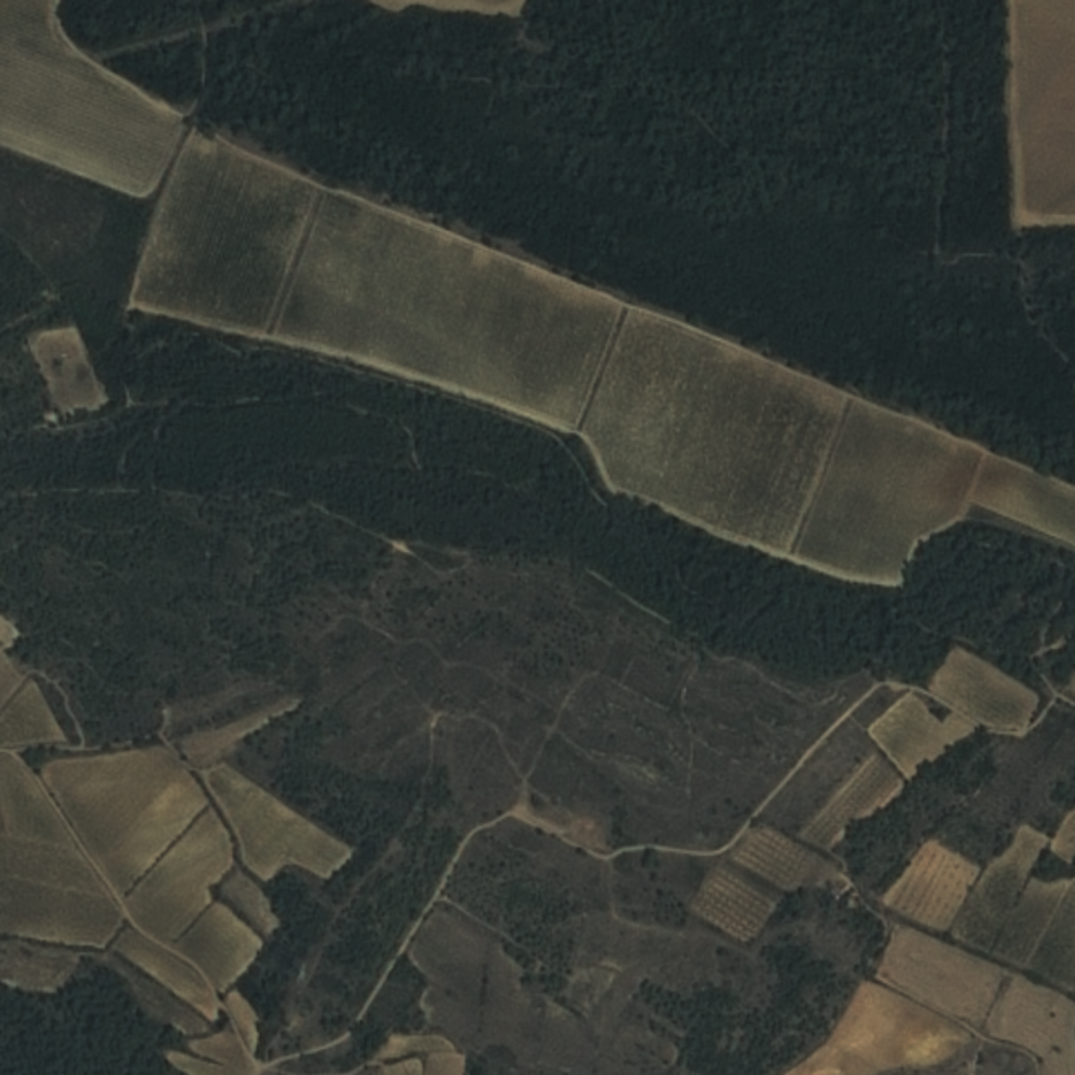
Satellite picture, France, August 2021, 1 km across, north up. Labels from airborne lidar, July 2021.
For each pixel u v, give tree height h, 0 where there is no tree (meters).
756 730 0
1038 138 0
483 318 0
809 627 10
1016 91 0
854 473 0
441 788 7
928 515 0
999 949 0
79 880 0
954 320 7
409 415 7
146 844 0
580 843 0
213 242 0
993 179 10
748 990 0
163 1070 10
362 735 0
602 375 0
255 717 0
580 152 7
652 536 12
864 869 6
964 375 9
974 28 9
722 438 0
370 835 7
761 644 11
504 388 0
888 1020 0
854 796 0
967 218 10
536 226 7
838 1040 0
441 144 7
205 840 0
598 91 15
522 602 0
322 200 0
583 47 12
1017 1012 0
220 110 6
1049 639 6
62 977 0
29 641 9
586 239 8
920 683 8
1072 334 8
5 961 0
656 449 0
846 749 0
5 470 7
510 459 6
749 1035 6
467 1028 0
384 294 0
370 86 13
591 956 0
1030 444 15
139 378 10
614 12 13
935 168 16
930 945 0
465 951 0
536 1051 0
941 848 0
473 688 0
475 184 6
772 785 0
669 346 0
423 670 0
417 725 0
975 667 0
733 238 6
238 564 0
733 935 0
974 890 6
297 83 10
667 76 14
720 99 12
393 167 14
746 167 15
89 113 0
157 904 0
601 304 0
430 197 7
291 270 0
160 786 0
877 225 7
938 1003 0
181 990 0
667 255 7
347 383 13
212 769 0
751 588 11
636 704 0
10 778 0
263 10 8
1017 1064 0
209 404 10
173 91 11
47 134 0
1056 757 0
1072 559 10
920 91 16
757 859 0
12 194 0
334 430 7
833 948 0
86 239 0
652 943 0
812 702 0
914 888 0
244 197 0
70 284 7
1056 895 0
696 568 13
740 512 0
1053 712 5
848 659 9
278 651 7
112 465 6
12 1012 11
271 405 6
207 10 11
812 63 13
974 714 0
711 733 0
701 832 0
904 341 7
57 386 0
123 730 0
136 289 0
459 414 10
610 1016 0
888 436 0
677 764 0
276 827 0
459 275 0
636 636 0
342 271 0
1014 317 9
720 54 8
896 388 13
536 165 7
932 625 11
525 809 0
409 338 0
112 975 12
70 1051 11
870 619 14
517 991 0
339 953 7
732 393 0
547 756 0
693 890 0
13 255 6
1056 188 0
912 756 0
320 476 6
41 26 0
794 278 8
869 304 7
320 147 6
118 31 6
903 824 6
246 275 0
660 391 0
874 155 14
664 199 14
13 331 9
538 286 0
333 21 6
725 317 9
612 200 8
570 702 0
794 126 15
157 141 0
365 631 0
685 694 0
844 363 6
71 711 0
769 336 8
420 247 0
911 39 15
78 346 0
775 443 0
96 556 7
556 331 0
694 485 0
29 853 0
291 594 7
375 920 8
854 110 13
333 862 0
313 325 0
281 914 6
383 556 8
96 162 0
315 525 7
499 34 8
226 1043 0
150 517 7
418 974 7
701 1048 6
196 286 0
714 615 13
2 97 0
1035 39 0
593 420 0
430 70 13
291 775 7
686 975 0
